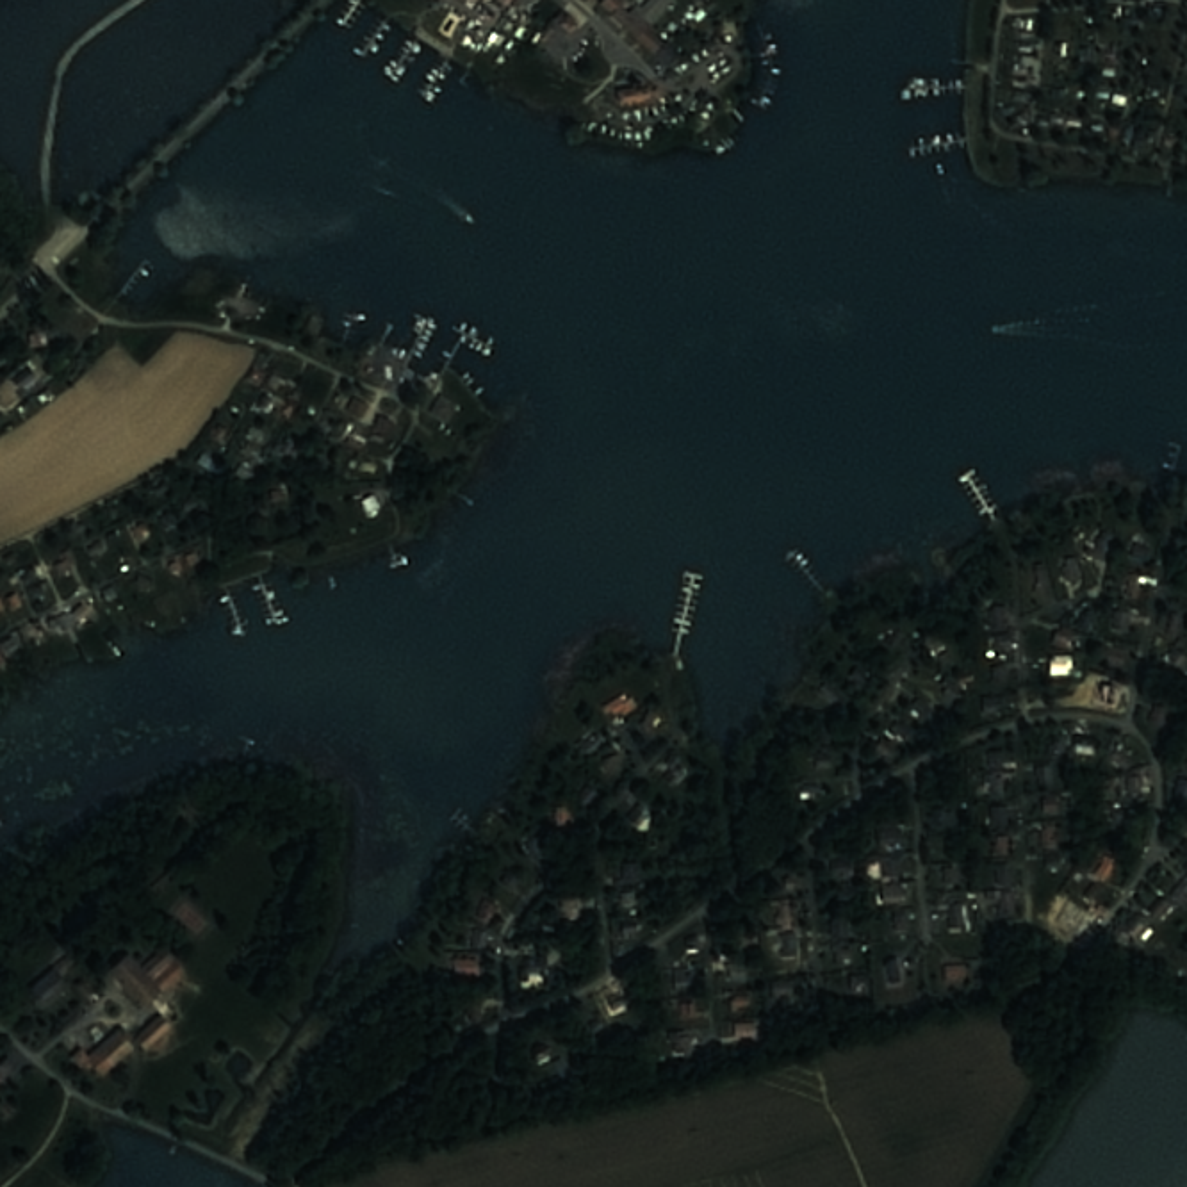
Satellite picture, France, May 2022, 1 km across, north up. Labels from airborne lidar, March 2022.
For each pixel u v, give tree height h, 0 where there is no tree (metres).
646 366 0
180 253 0
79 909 0
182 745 0
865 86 0
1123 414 0
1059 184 0
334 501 0
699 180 0
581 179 0
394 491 14
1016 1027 9
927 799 7
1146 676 16
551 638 0
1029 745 7
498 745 0
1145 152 0
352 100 0
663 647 0
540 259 0
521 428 0
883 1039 18
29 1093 0
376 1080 26
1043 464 0
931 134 0
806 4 0
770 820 22
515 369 0
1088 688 0
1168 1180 0
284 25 8
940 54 0
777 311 0
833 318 0
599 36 0
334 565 0
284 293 0
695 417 0
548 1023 19
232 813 23
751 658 0
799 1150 0
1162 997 18
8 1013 23
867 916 10
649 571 0
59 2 0
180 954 17
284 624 0
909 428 0
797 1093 0
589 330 0
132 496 9
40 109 0
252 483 9
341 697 0
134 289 0
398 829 0
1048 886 0
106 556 0
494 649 0
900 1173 0
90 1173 23
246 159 0
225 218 0
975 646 0
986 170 0
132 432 0
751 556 0
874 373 0
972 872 9
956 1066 0
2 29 0
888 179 0
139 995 0
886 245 0
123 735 0
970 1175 0
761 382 0
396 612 0
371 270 0
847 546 0
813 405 0
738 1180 0
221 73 0
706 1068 17
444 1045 18
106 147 0
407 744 0
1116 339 0
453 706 0
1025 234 0
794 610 0
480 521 0
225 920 18
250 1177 0
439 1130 17
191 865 23
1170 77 14
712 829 21
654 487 0
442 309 0
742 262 0
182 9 0
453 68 0
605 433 0
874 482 0
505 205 0
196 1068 0
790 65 0
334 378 0
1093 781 10
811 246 0
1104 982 22
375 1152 15
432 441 0
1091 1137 0
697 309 0
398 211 0
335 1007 18
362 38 0
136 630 0
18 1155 12
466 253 0
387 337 0
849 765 12
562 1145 0
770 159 0
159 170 12
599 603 0
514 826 20
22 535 0
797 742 20
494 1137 16
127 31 0
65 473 0
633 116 0
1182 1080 0
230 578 0
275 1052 0
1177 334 0
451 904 21
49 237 0
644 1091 17
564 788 17
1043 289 0
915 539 0
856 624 18
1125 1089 0
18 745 0
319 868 22
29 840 10
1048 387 0
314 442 11
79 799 0
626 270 0
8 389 0
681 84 0
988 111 7
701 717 0
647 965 20
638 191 0
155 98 0
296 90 0
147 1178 0
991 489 0
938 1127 0
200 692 0
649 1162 0
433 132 0
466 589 0
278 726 0
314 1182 12
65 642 0
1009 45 0
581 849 25
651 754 16
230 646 0
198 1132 0
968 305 0
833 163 0
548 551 0
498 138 0
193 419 0
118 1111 0
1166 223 0
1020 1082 0
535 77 0
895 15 0
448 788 0
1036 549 21
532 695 0
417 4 0
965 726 13
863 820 16
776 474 0
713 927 13
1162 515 18
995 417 0
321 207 0
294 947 26
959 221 0
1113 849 20
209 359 0
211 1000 0
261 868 0
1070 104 0
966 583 19
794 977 6
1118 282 0
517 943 8
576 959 14
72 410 0
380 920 0
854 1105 0
